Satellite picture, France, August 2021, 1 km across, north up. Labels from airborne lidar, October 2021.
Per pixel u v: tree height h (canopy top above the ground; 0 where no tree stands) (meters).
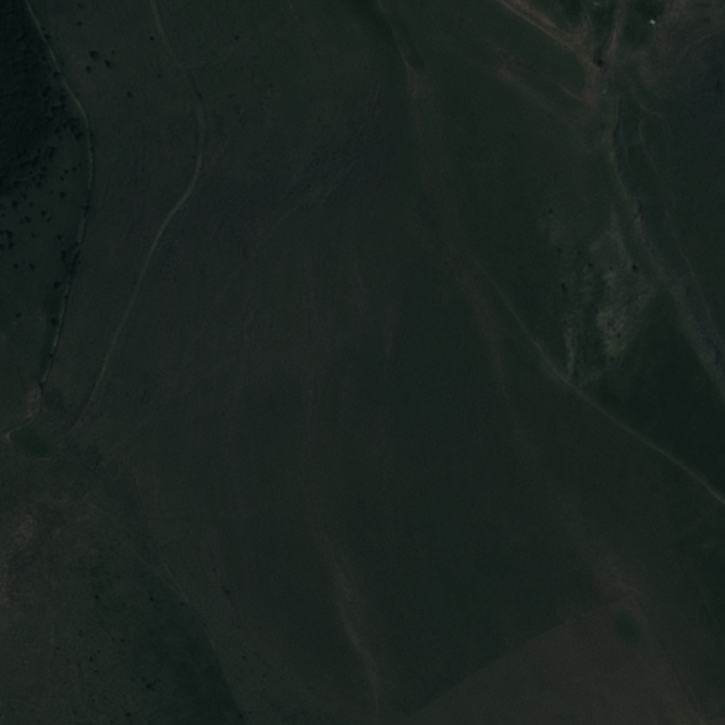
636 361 0
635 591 0
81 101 0
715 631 0
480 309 0
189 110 0
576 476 0
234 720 0
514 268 0
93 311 0
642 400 0
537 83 0
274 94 0
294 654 0
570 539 0
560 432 0
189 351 0
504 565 0
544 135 0
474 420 0
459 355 0
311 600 0
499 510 0
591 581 0
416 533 0
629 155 0
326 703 0
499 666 0
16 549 0
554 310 0
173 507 0
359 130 0
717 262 0
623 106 0
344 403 0
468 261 0
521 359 0
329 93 0
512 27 0
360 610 0
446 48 0
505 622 0
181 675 0
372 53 0
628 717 0
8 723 0
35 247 0
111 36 0
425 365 0
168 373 0
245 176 0
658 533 0
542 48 0
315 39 0
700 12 0
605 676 0
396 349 0
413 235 0
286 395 0
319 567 0
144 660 0
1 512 0
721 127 0
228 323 0
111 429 0
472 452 0
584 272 0
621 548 0
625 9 0
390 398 0
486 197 0
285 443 0
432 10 0
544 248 0
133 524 0
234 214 0
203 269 0
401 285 0
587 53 0
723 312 0
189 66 0
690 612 0
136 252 0
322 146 0
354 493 0
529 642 0
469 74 0
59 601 0
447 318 0
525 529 0
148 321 0
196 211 0
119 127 0
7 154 17
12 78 21
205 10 0
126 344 0
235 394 0
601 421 0
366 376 0
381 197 0
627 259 0
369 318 0
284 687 0
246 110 0
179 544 0
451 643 0
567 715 0
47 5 0
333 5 0
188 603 0
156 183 0
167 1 0
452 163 0
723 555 0
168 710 0
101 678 0
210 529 0
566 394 0
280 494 0
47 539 0
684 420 0
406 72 0
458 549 0
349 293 0
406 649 0
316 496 0
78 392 0
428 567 0
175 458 0
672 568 0
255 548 0
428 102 0
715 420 0
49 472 0
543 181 0
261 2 0
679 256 0
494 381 0
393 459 0
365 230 0
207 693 0
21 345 0
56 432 0
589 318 0
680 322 0
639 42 0
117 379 0
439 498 0
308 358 0
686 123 0
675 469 0
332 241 0
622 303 0
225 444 0
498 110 0
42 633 0
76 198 0
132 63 0
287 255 0
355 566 0
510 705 0
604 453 0
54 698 0
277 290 0
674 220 0
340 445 0
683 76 0
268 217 0
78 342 0
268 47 0
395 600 0
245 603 0
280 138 0
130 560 0
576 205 0
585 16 0
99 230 0
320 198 0
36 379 0
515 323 0
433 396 0
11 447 0
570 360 0
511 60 0
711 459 0
